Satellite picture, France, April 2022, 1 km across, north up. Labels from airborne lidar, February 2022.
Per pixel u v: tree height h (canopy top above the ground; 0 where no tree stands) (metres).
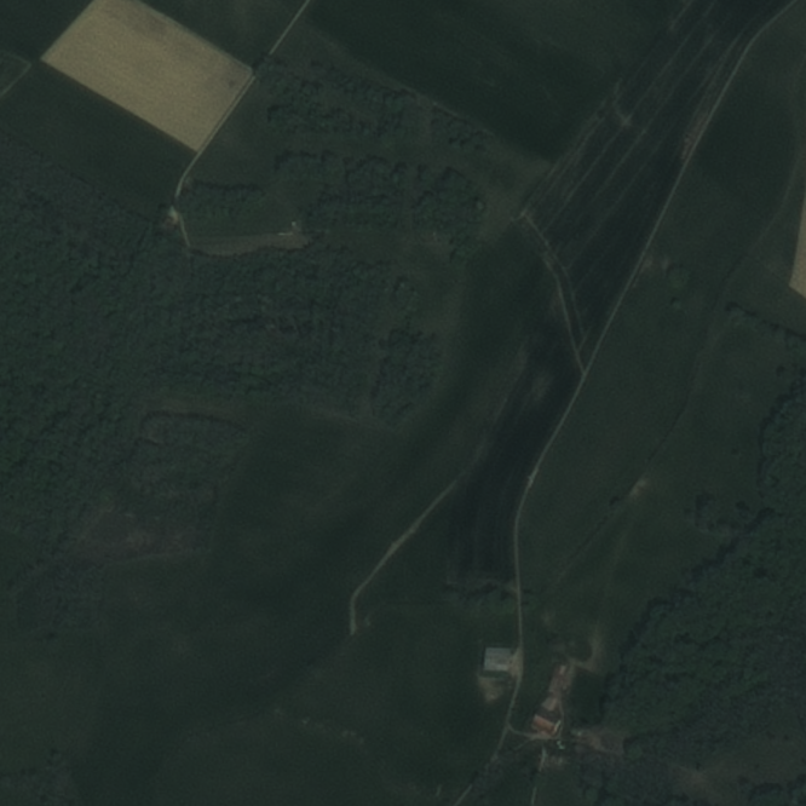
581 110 0
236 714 0
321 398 23
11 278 24
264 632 0
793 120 0
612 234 0
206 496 21
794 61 0
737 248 0
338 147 0
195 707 0
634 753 24
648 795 27
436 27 0
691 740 27
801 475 28
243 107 0
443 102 0
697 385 0
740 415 0
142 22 0
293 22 0
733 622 26
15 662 0
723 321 0
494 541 0
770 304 0
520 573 0
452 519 0
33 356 23
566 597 0
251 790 0
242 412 0
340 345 26
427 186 13
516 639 0
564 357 0
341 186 0
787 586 27
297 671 0
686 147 0
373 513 0
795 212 0
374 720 0
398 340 10
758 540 23
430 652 0
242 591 0
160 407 0
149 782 0
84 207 18
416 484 0
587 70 0
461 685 0
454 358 0
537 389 0
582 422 0
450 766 0
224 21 0
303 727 0
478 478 0
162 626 0
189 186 0
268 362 26
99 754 0
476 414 0
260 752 0
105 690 0
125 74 0
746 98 0
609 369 0
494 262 0
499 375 0
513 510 0
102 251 21
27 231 24
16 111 0
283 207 0
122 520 0
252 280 14
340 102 0
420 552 0
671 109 0
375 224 5
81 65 0
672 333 0
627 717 29
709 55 0
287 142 0
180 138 0
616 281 0
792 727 0
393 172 14
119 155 0
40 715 0
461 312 0
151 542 0
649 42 0
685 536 0
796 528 26
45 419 24
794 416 24
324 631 0
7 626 0
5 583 0
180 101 0
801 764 0
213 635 0
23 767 0
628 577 0
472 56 0
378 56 0
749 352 0
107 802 0
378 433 0
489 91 0
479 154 10
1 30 0
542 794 0
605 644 0
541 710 0
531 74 0
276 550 0
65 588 21
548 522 0
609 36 0
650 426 0
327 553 0
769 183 0
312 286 24
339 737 0
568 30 0
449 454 0
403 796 0
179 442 17
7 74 0
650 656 27
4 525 22
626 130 0
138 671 0
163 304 27
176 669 0
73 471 23
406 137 7
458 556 0
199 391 19
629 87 0
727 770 0
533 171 0
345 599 0
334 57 0
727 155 0
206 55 0
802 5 0
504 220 0
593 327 0
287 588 0
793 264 0
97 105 0
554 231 0
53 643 15
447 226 14
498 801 0
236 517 0
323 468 0
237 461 0
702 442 0
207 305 20
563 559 0
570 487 0
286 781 0
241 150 0
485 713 0
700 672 24
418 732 0
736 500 0
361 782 0
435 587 0
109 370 23
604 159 0
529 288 0
